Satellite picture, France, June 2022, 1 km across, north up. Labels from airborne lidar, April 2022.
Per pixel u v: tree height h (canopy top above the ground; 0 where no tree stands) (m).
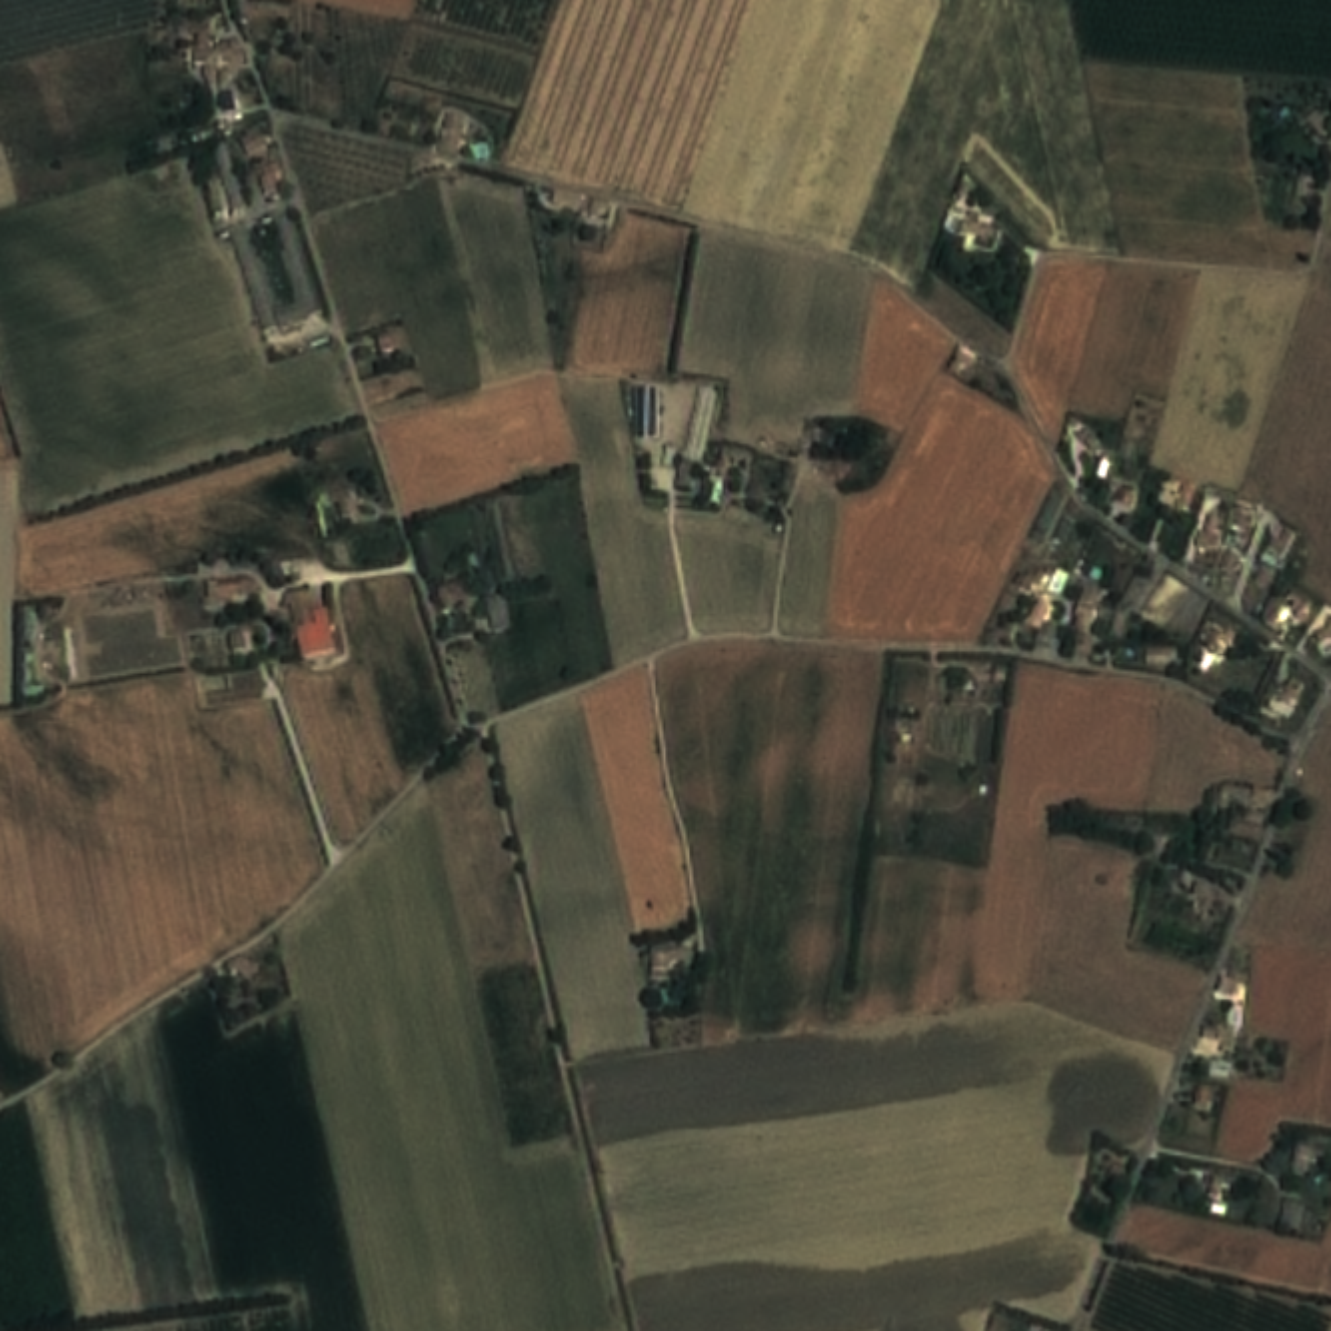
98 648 0
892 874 0
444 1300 0
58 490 0
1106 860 0
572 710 0
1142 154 0
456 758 7
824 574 0
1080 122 0
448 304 0
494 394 0
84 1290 0
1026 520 0
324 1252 0
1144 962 0
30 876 0
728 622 0
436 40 0
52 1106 0
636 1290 0
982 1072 0
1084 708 0
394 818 0
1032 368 0
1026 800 0
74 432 0
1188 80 0
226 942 0
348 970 0
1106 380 0
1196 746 0
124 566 0
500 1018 0
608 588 0
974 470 0
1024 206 0
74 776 0
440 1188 0
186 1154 0
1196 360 0
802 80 0
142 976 0
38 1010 0
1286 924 0
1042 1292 0
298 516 0
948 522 0
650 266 0
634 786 0
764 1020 0
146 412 0
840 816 0
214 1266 0
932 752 0
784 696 0
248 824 0
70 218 0
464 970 0
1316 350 0
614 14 0
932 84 0
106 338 0
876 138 0
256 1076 0
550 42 0
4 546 0
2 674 0
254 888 0
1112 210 0
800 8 0
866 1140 0
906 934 0
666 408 0
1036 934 0
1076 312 0
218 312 0
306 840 0
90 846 0
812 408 0
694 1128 0
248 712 0
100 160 0
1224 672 0
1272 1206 0
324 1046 0
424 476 0
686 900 0
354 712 0
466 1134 0
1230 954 0
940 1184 0
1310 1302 12
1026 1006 0
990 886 0
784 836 0
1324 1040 0
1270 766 0
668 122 0
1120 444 0
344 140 0
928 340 0
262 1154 0
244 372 0
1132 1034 0
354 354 8
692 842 0
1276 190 0
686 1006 10
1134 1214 0
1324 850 0
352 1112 0
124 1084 0
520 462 0
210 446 0
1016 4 0
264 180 0
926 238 0
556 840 0
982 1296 0
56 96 0
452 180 0
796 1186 0
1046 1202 0
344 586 0
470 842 0
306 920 0
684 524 0
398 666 0
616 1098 0
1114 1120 0
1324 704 0
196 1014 0
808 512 0
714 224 0
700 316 0
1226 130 0
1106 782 0
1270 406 0
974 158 0
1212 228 0
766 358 0
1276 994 0
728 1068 0
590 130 0
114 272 0
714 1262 0
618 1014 0
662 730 0
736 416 0
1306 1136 7
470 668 0
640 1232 0
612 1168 0
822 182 0
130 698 0
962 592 0
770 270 0
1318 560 0
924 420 0
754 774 0
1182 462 0
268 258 0
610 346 0
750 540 0
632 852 0
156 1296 0
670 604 0
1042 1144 0
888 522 0
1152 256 0
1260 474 0
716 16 0
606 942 0
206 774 0
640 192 0
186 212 0
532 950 0
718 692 0
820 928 0
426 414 0
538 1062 0
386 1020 0
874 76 0
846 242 0
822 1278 0
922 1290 0
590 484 0
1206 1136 0
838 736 0
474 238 0
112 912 0
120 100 0
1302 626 6
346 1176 0
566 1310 0
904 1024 0
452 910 0
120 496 14
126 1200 0
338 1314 0
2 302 0
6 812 0
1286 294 0
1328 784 0
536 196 11
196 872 0
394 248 0
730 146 0
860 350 0
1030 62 0
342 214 0
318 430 10
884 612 0
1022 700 0
